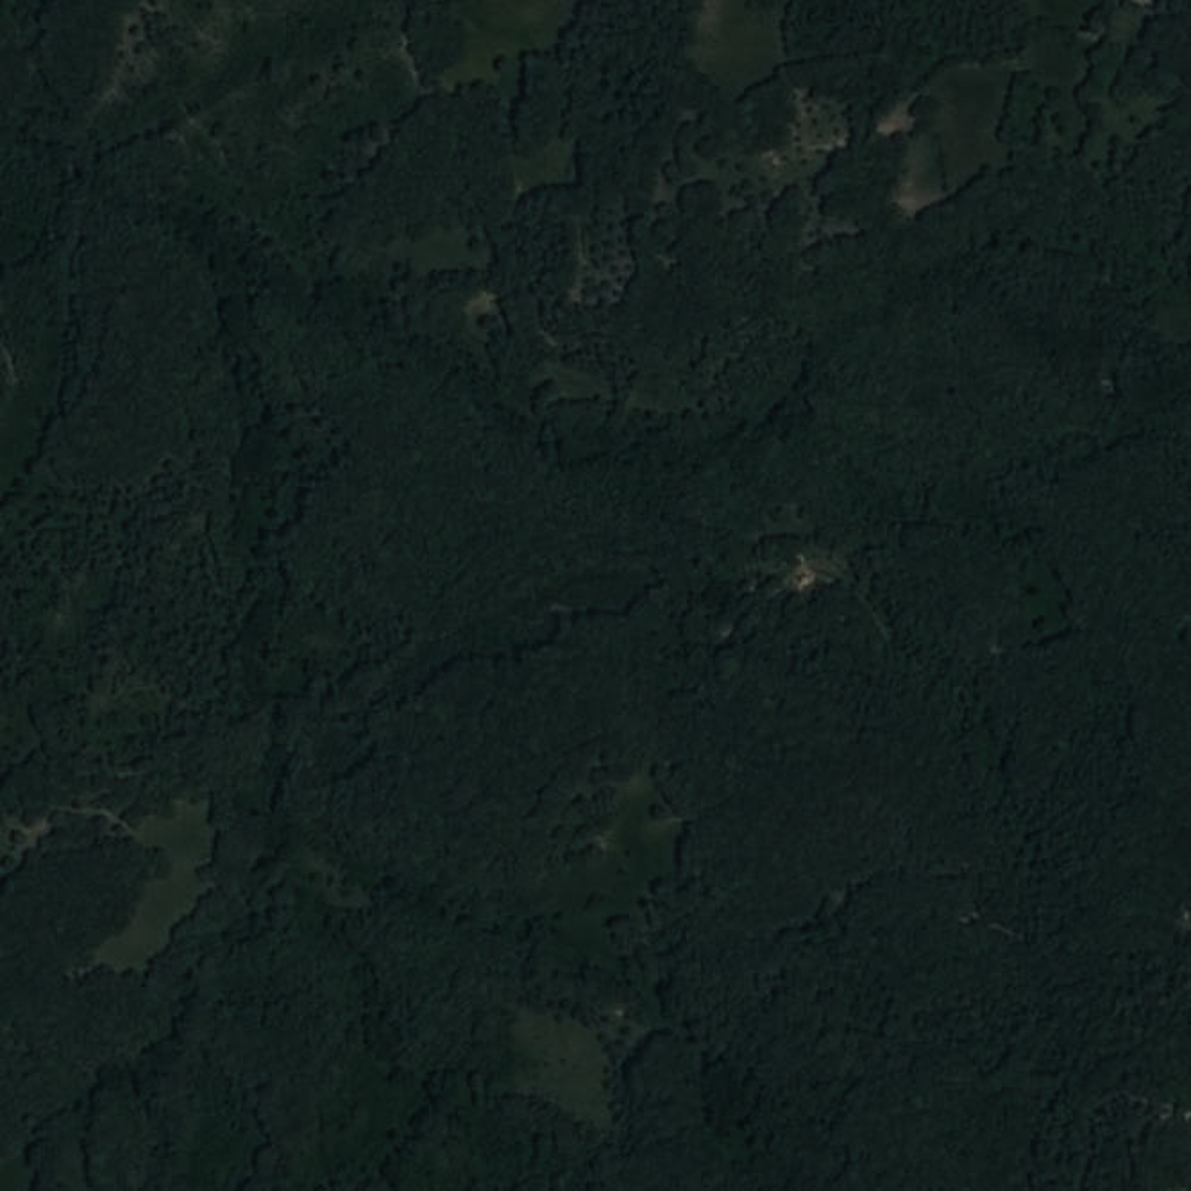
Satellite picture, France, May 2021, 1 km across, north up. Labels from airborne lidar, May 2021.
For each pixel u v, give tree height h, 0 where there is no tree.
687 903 17
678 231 14
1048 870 15
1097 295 11
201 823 0
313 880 10
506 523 14
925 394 17
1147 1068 9
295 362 16
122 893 15
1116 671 15
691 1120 12
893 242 16
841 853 14
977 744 15
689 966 17
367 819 16
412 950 14
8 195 9
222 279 21
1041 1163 14
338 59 6
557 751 14
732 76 0
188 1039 25
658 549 18
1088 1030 11
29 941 13
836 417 14
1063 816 13
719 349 16
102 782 15
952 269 20
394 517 15
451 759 18
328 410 15
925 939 14
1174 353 12
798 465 16
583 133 16
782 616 9
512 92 0
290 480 21
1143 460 15
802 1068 13
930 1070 12
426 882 22
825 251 20
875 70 11
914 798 10
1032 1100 13
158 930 0
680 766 13
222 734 15
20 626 8
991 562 16
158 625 18
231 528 14
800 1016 16
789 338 16
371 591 14
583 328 16
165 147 12
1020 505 10
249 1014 15
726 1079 22
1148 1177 9
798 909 18
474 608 13
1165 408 11
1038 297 12
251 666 26
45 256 12
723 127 16
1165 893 14
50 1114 14
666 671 14
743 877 13
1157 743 16
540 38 0
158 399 15
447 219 16
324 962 15
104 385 17
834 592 11
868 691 12
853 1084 8
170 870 15
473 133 17
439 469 22
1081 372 18
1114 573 12
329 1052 17
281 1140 14
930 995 16
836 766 15
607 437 20
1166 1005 11
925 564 15
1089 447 7
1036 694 15
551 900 9
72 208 18
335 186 10
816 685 11
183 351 17
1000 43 8
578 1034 0
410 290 15
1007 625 12
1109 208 12
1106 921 15
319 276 19
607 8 15
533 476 16
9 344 11
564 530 16
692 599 10
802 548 13
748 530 15
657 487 14
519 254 14
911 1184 14
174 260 15
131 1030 19
